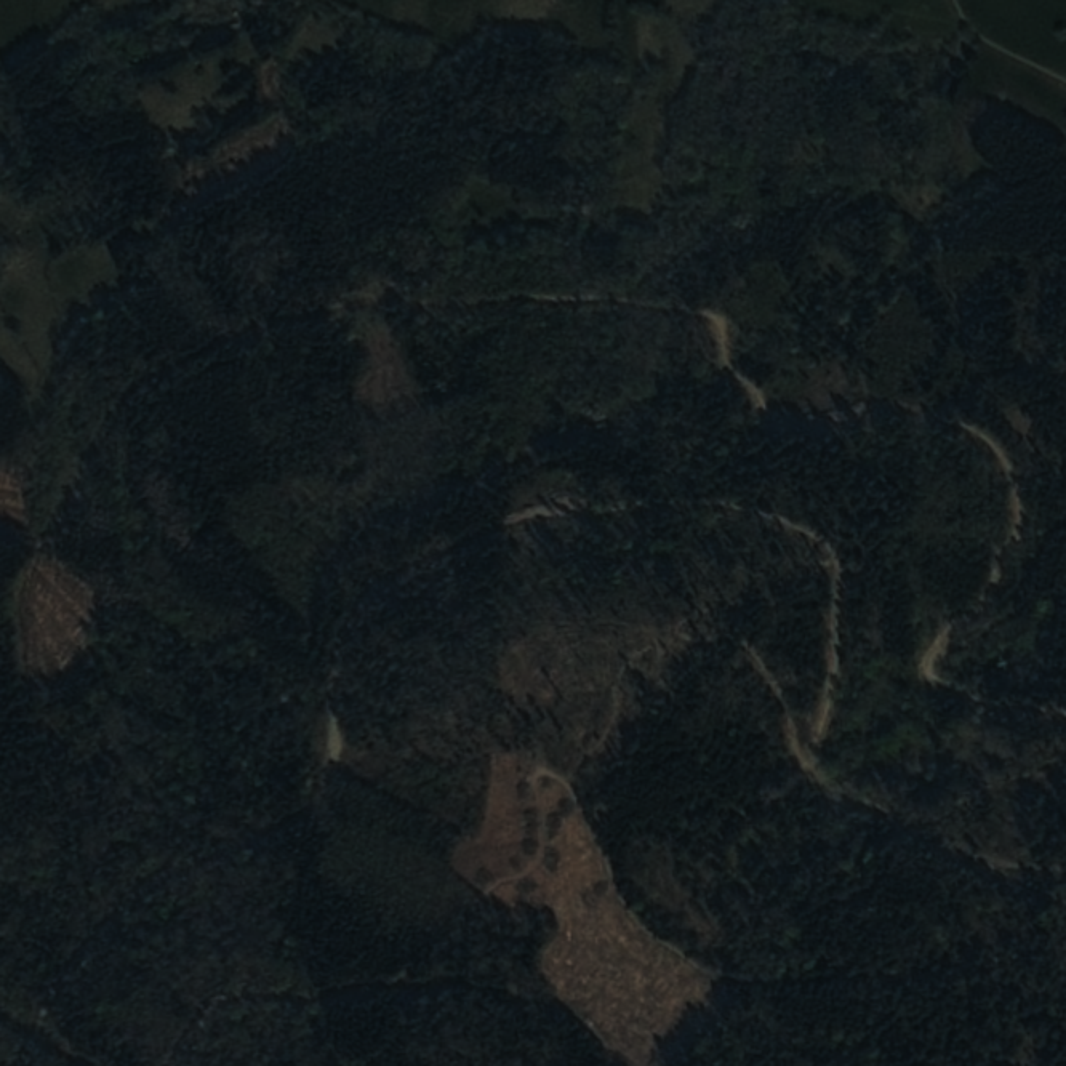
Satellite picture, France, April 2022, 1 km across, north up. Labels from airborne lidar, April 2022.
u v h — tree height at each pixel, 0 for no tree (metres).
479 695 21
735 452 7
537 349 6
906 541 20
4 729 23
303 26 8
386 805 18
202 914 27
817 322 22
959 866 32
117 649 20
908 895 32
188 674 17
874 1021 27
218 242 19
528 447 9
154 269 13
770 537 30
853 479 34
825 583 17
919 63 7
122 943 23
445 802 8
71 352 23
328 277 26
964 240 27
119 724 23
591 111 20
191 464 24
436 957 25
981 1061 30
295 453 15
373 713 24
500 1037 27
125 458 18
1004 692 33
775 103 26
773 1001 32
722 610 11
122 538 24
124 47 19
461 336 14
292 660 21
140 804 30
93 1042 26
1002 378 26
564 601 0
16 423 27
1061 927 32
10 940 25
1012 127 25
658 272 24
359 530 29
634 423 23
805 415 0
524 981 21
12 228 0
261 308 20
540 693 0
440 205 21
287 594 9
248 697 28
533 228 17
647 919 22
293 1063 26
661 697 27
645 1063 0
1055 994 34
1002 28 0
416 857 14
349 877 16
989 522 19
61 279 0
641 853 17
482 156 28
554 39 17
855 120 25
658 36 0
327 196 27
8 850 33
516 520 0
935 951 31
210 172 0
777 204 20
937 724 10
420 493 12
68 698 18
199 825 29
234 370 25
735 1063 29
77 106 23
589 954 0
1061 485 23
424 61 16
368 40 10
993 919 18
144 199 0
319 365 22
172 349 23
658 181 0
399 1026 20
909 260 8
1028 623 22
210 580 22
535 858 0
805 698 20
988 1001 30
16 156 25
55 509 22
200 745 22
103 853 24
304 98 16
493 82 31
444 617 28
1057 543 26
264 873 31
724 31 19
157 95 0
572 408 6
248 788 26
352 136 26
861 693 22
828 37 18
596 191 25
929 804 32
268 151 0
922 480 17
